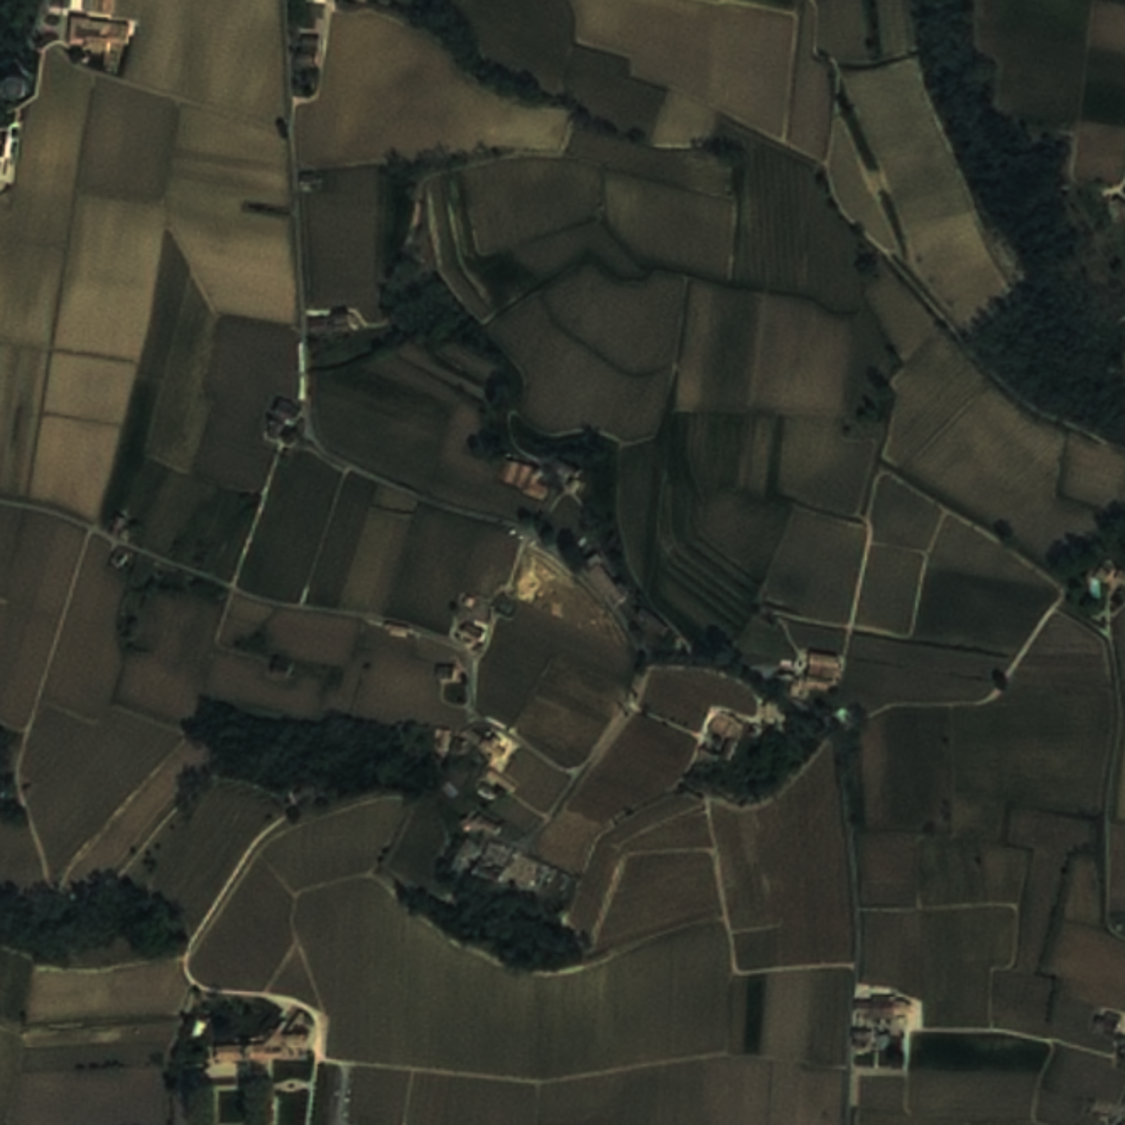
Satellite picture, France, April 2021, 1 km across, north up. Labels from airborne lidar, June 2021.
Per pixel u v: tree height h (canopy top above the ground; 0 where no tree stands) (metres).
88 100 0
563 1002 0
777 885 0
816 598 0
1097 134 0
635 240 0
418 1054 0
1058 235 11
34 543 0
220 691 0
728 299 0
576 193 0
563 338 0
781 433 0
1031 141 10
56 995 0
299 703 0
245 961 0
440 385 0
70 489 0
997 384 18
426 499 0
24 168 0
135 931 20
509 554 0
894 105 0
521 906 17
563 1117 0
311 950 0
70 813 0
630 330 0
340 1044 0
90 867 0
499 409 21
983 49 0
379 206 0
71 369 0
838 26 0
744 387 0
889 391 28
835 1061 0
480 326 12
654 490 0
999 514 0
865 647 0
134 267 0
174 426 0
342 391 0
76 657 0
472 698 0
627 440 0
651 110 0
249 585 0
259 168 0
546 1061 0
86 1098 0
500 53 0
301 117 0
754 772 6
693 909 0
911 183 0
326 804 11
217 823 0
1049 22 0
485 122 0
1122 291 13
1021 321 16
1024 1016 0
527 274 0
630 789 0
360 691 0
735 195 0
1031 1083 0
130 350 0
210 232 0
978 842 0
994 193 14
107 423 0
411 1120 0
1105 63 0
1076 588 13
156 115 0
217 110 0
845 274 0
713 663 21
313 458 0
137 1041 0
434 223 0
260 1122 36
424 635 0
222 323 0
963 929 0
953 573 0
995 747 0
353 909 0
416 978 0
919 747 0
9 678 0
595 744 0
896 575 0
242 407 0
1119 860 0
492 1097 0
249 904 0
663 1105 0
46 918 14
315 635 0
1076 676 0
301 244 0
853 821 10
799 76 0
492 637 0
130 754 0
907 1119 0
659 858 0
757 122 0
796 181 0
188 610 0
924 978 0
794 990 0
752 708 0
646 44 0
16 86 0
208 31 0
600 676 0
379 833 0
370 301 0
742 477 0
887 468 0
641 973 0
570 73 0
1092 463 0
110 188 0
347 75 0
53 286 0
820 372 0
